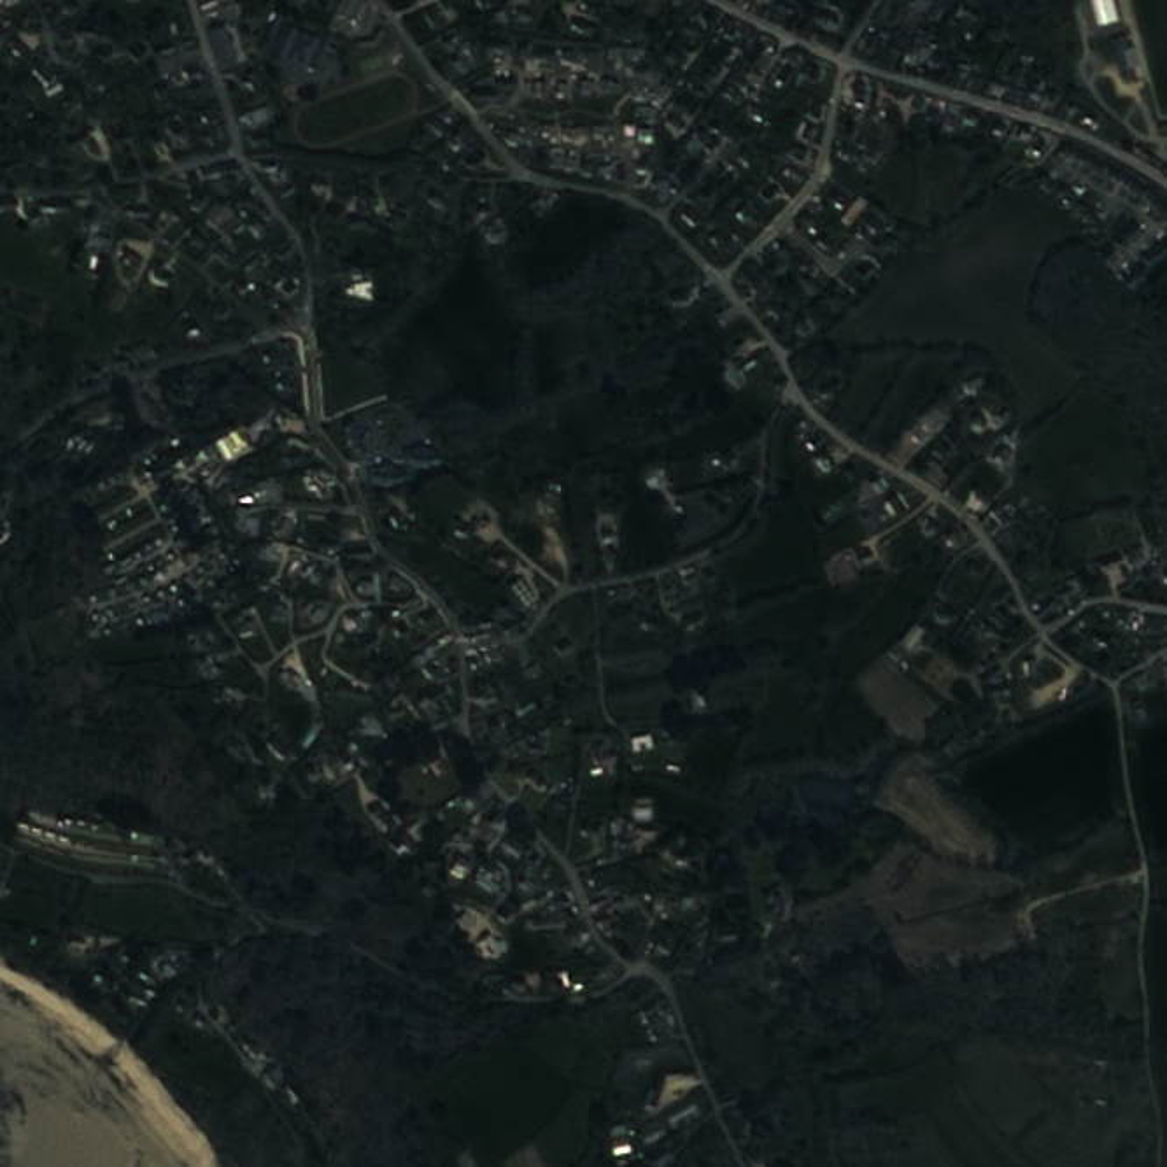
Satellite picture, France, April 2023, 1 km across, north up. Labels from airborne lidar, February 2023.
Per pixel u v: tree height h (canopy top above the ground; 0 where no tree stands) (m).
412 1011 15
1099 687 9
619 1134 0
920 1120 0
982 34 9
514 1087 0
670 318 7
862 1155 20
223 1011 0
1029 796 0
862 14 10
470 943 18
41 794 8
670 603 0
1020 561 7
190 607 19
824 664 0
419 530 12
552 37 8
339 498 8
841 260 0
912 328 0
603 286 12
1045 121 0
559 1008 9
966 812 11
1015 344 0
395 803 24
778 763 11
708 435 0
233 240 0
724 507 6
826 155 0
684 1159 7
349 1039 5
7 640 11
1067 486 0
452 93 0
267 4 6
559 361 0
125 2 0
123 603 0
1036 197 0
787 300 6
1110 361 10
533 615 0
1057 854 13
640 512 0
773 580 0
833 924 11
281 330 0
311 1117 10
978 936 0
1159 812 0
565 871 0
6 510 0
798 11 8
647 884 11
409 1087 0
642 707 0
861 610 0
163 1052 0
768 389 0
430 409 8
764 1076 0
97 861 0
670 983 0
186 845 7
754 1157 10
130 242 0
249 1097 0
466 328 0
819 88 0
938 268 0
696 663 12
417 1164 16
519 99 0
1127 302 12
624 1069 0
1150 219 0
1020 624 6
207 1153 0
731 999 8
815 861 9
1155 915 0
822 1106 8
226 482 8
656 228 9
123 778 9
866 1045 15
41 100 0
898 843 17
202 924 12
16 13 0
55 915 0
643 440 10
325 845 6
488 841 0
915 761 0
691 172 9
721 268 0
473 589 0
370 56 0
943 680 0
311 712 0
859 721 0
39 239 0
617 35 10
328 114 0
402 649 0
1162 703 0
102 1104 0
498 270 10
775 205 0
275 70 7
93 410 11
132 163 6
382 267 8
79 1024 0
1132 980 0
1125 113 0
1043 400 0
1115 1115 13
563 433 0
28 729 12
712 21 10
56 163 7
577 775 7
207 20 0
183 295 0
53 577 8
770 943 9
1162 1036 0
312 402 0
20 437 0
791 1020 12
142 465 7
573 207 0
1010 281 0
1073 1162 0
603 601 8
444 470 6
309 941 7
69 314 0
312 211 9
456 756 14
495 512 0
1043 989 13
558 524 0
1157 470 7
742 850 14
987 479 0
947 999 13
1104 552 0
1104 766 0
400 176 15
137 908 0
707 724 11
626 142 0
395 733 0
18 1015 0
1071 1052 12
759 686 10
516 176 0
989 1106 0
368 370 9
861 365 10
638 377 13
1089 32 0
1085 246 9
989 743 9
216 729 7
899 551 0
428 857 7
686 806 0
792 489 9
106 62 5
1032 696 0
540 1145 0
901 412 0
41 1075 0
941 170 0
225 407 7
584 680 7
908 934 0
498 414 14
